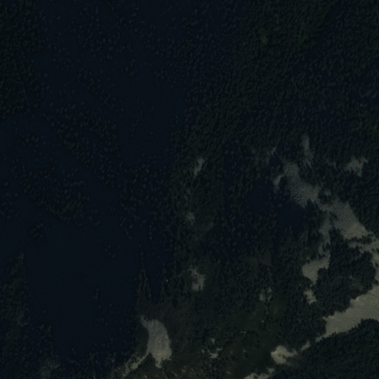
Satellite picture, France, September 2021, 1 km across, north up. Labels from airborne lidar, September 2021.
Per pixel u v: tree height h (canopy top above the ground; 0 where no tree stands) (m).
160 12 28
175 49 25
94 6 11
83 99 20
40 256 13
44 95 15
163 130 17
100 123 12
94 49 19
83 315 14
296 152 10
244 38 27
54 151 9
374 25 13
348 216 0
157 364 0
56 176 8
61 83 15
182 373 0
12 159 17
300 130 10
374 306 0
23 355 6
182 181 20
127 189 5
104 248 16
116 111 23
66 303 6
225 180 6
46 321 6
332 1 24
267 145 7
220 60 30
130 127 24
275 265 10
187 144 10
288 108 13
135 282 12
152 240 6
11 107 17
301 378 11
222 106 25
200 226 0
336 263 14
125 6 13
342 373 11
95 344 9
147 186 8
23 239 6
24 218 7
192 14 29
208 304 0
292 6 9
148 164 18
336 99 26
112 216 15
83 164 12
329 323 0
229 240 10
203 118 6
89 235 8
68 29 21
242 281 8
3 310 8
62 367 5
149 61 18
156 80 23
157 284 11
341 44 28
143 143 12
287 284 20
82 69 12
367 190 19
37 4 5
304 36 20
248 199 10
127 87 25
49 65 19
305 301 18
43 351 7
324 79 10
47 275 9
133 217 11
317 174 8
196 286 0
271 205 19
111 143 26
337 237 16
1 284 8
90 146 12
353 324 0
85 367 12
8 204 7
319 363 13
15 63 16
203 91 23
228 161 13
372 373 7
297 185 0
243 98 21
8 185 10
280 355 0
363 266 10
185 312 0
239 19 27
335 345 10
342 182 6
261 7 18
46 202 16
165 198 14
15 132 21
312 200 0
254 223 19
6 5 15
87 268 13
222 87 29
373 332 11
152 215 10
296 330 12
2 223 8
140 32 29
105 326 16
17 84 11
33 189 17
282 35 18
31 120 18
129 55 18
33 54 17
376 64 15
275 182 0
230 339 8
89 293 21
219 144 9
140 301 0
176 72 34
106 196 7
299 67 11
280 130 13
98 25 17
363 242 8
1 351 7
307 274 0
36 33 26
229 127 10
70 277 25
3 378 6
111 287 19
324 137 25
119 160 18
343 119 10
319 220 7
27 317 7
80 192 7
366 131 15
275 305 0
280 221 7
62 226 9
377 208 26
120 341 13
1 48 18
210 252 8
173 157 16
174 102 11
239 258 10
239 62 15
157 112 10
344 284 17
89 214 12
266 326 12
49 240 11
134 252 12
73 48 8
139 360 0
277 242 11
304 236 7
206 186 19
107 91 6
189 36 16
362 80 8
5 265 16
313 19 18
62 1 21
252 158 9
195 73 28
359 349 15
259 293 7
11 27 25
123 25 19
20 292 7
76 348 11
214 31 27
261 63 26
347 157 17
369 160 14
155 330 0
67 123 11
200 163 0
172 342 0
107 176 20
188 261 10
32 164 13
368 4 17
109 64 9
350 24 26
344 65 13
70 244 7
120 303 6
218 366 15
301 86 8
